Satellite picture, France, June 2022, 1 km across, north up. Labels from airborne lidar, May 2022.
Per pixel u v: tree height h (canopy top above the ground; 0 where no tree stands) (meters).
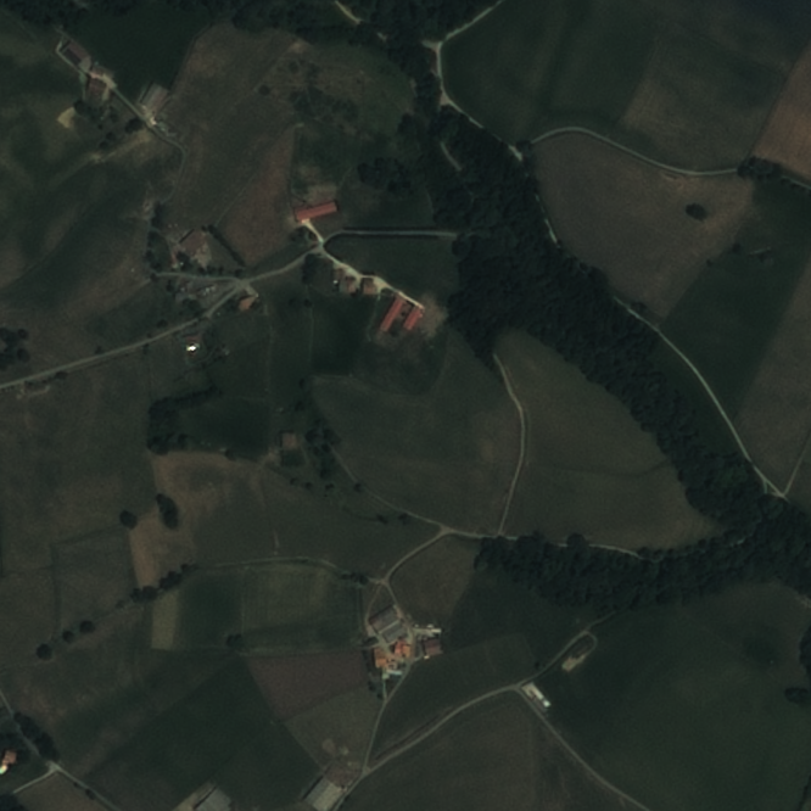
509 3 0
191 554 0
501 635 0
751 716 0
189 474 0
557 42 0
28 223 0
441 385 0
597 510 0
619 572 12
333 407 0
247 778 0
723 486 28
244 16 19
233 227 0
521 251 30
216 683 0
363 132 0
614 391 16
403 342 0
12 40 0
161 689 0
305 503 0
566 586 16
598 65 0
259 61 0
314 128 0
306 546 0
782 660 0
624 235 0
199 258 0
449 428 0
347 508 0
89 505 0
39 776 0
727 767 0
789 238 0
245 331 0
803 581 25
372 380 0
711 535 0
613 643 0
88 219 0
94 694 0
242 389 0
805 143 0
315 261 15
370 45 9
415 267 0
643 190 0
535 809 0
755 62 0
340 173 0
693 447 21
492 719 0
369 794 0
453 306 11
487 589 0
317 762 0
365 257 0
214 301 0
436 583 0
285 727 0
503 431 0
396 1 15
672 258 0
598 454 0
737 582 18
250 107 0
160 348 0
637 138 0
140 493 0
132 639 0
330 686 0
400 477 0
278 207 0
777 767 0
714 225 0
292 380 0
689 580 15
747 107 0
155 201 0
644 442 0
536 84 0
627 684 0
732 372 0
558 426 0
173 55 0
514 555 7
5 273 0
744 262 0
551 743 0
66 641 10
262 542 0
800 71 0
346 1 15
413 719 0
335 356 0
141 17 0
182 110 0
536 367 0
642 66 0
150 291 0
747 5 0
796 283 0
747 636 0
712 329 0
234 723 0
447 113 13
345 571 0
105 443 0
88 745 0
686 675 0
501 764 0
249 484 0
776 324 0
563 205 0
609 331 22
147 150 0
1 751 6
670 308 0
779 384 0
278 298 0
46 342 0
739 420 0
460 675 0
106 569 0
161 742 0
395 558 0
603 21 0
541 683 0
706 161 0
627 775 0
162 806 0
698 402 0
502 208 13
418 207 0
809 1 0
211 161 0
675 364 0
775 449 0
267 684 0
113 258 0
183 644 0
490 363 9
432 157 6
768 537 22
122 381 0
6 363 14
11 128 0
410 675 0
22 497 0
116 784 0
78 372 0
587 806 0
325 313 0
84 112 13
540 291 21
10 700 0
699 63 0
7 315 0
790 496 0
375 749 0
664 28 0
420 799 0
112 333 0
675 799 0
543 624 0
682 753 0
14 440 0
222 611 0
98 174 0
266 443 0
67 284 0
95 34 0
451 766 0
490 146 19
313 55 0
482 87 0
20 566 0
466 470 0
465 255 17
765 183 10
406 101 0
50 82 0
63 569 0
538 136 0
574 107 0
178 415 18
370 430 0
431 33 21
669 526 0
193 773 0
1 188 0
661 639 0
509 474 0
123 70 0
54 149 0
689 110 0
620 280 0
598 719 0
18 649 0
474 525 0
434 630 0
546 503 0
